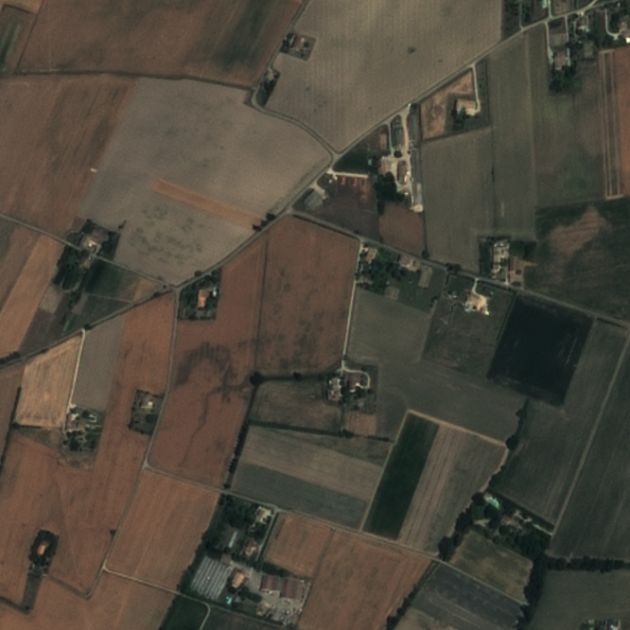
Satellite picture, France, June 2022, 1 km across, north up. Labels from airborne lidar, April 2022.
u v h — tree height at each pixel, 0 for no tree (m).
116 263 0
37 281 0
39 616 0
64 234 0
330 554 0
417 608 0
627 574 0
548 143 0
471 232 0
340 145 0
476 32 0
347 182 0
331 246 0
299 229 0
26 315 0
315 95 0
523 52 0
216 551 22
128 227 0
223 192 0
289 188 0
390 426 0
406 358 0
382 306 0
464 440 0
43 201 0
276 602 0
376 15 0
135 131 0
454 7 0
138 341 0
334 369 0
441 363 0
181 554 0
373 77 0
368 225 0
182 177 0
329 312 0
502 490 0
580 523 0
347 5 0
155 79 0
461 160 0
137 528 0
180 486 0
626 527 0
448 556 18
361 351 0
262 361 0
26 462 0
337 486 0
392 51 0
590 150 0
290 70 0
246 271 0
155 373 0
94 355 0
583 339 0
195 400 0
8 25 0
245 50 0
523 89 0
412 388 0
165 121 0
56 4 0
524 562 0
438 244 0
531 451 0
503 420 0
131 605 0
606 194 0
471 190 0
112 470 0
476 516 15
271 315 0
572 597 0
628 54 0
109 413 0
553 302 0
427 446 0
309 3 0
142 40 0
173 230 0
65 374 0
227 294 0
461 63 0
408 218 0
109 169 0
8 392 0
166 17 0
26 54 0
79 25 0
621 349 0
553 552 0
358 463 0
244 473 0
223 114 0
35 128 0
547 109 0
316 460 0
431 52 0
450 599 0
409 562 0
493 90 0
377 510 0
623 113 0
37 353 0
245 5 0
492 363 0
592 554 0
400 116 0
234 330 0
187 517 0
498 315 0
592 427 0
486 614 0
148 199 0
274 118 0
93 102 0
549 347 0
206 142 0
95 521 0
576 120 0
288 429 7
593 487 0
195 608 0
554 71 9
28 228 0
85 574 0
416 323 0
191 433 0
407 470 0
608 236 0
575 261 0
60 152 0
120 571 0
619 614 0
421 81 0
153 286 0
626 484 0
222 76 0
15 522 0
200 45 0
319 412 0
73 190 0
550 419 0
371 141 0
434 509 0
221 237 0
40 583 0
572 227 0
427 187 0
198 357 0
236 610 7
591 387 0
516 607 0
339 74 0
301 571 0
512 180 0
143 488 0
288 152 0
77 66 0
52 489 0
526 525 6
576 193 0
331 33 0
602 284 0
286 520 0
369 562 0
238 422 0
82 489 0
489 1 0
